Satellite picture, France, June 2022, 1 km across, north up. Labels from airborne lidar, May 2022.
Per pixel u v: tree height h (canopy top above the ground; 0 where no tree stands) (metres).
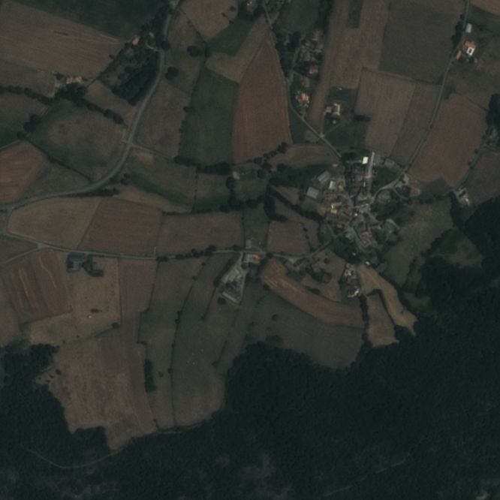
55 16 0
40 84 0
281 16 7
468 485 8
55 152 0
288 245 0
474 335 19
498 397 11
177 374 0
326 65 0
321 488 12
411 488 10
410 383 18
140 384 0
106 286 0
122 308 0
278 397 22
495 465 12
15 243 0
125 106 0
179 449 11
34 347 11
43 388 11
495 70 0
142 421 0
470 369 16
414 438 19
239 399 14
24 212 0
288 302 0
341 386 17
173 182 0
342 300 0
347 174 9
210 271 0
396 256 0
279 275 0
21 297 0
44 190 0
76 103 18
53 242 0
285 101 0
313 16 0
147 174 0
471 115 0
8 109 0
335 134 0
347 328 0
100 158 0
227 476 13
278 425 26
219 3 0
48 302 0
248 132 0
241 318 0
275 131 0
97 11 0
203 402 0
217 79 0
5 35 0
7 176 0
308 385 15
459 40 14
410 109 0
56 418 12
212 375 0
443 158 0
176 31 0
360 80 0
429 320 21
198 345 0
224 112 0
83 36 0
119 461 6
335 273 0
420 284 9
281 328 0
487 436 17
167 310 0
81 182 0
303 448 22
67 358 0
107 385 0
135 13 0
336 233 8
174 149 0
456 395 15
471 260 0
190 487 12
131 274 0
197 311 0
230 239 0
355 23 0
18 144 0
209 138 0
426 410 12
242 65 0
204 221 0
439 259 9
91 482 9
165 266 0
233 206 17
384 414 24
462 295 31
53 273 0
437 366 18
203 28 0
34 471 11
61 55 0
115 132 0
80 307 0
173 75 16
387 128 0
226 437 15
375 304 0
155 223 0
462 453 11
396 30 0
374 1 0
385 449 8
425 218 0
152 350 0
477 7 0
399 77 0
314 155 0
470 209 0
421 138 0
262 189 0
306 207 0
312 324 0
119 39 0
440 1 0
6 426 24
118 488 11
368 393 19
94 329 0
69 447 11
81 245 0
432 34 0
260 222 0
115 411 0
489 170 0
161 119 0
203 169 11
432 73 0
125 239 0
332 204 0
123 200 0
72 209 0
